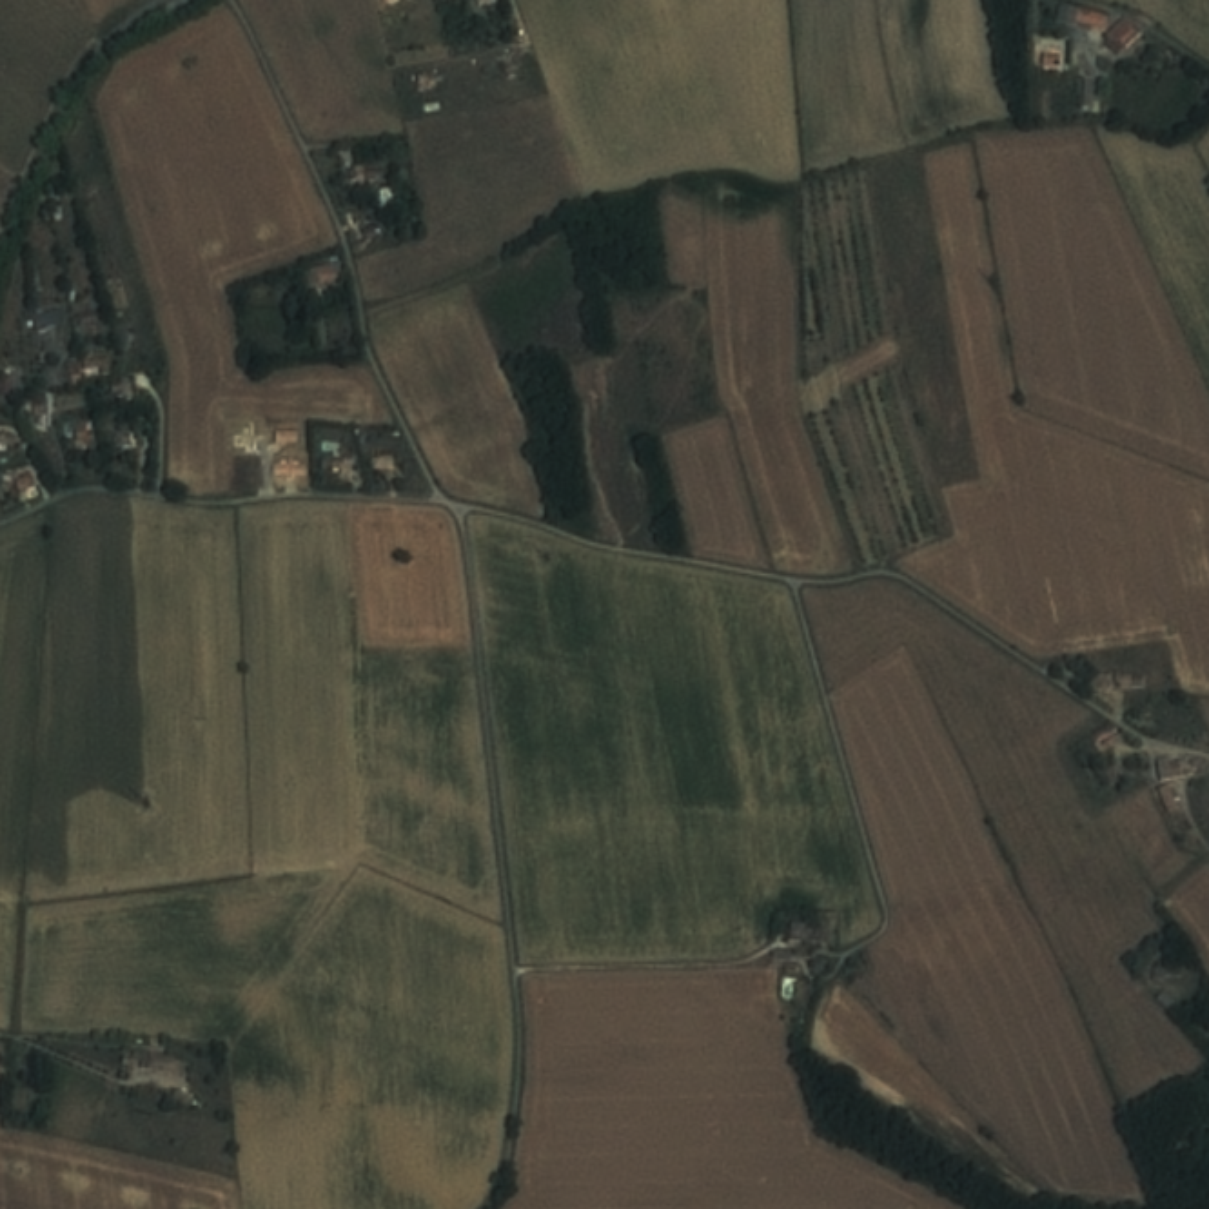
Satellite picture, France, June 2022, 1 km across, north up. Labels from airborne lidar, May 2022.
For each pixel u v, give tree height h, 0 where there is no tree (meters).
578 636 0
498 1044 0
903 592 0
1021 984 0
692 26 0
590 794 0
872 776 0
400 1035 0
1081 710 0
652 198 7
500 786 0
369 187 11
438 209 0
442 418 0
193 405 0
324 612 0
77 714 0
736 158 0
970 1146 0
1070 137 0
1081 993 0
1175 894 0
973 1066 0
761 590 0
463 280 0
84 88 18
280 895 0
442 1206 0
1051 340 0
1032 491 0
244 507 0
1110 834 0
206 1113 0
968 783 0
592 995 0
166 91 0
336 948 0
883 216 0
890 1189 0
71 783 0
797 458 0
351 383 0
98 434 8
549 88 0
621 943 0
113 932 0
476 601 0
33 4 0
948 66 0
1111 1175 0
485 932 0
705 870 0
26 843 0
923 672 0
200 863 0
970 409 0
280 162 0
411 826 0
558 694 0
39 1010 0
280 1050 0
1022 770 0
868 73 0
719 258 0
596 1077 0
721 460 0
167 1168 0
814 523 0
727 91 0
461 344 0
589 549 0
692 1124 0
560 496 18
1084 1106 0
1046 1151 0
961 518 0
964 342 0
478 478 0
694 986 0
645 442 18
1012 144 0
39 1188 0
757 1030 0
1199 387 0
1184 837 7
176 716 0
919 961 0
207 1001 0
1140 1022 0
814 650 0
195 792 0
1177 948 16
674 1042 0
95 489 0
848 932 0
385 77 0
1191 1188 19
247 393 0
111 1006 0
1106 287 0
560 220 13
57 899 0
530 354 12
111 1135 0
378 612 0
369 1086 0
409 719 0
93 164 0
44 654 0
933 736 0
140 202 0
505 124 0
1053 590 0
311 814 0
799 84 0
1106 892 0
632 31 0
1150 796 0
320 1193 0
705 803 0
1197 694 0
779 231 0
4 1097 13
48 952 0
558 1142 0
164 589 0
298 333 7
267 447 0
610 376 0
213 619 0
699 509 0
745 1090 0
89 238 14
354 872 0
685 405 0
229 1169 0
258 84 0
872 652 0
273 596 0
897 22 0
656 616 0
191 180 0
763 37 0
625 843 0
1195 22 0
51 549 0
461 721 0
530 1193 0
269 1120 0
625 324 0
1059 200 0
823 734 0
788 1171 0
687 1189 0
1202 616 0
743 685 0
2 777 0
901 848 0
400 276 0
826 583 0
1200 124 14
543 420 12
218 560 0
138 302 0
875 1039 0
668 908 0
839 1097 15
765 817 0
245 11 0
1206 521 0
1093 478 0
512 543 0
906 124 0
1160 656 0
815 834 0
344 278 11
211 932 0
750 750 0
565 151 0
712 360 0
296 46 0
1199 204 0
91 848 0
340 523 0
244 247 0
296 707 0
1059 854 0
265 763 0
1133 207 0
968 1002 0
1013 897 0
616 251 14
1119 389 0
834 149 0
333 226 0
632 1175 0
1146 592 0
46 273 0
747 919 0
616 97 0
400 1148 0
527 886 0
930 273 0
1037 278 0
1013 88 15
